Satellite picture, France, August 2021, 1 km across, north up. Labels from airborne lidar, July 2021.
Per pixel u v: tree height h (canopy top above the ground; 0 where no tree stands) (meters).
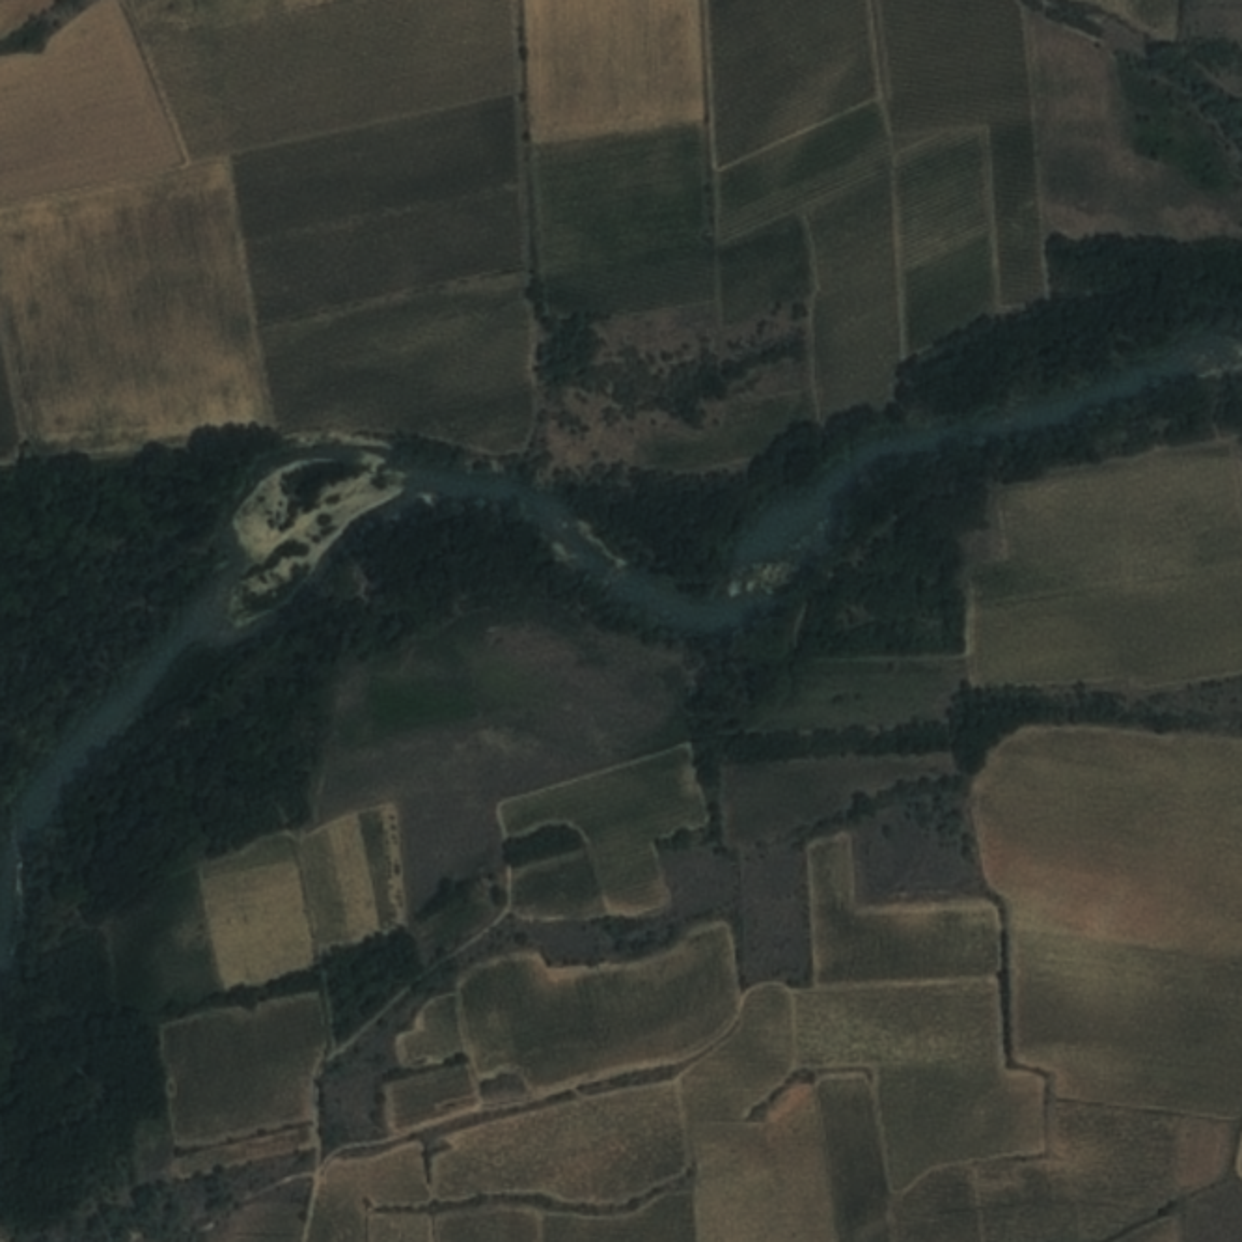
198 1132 0
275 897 0
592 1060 0
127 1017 15
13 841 0
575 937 0
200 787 20
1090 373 10
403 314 0
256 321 0
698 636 7
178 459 15
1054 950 0
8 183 0
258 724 11
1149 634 0
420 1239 0
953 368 16
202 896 0
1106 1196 0
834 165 0
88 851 16
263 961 0
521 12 0
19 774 8
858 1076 0
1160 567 0
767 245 0
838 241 0
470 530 28
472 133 0
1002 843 0
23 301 0
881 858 0
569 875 0
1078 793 0
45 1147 18
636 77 0
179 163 0
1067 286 7
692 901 0
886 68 0
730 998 0
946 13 0
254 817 8
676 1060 0
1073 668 0
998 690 10
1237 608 0
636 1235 0
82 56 0
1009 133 0
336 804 0
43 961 15
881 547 11
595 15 0
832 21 0
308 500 11
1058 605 0
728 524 19
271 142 0
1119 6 0
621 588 0
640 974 0
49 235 0
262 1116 0
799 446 14
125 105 0
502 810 0
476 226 0
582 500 20
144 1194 13
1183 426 9
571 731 0
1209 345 0
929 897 0
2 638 11
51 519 9
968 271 0
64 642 6
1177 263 25
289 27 0
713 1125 0
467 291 0
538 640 0
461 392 0
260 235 0
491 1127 0
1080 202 0
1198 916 0
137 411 0
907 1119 0
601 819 0
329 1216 0
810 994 0
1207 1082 0
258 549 0
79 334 0
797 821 0
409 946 17
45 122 0
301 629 11
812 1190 0
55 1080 15
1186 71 16
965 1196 0
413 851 0
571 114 0
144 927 0
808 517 0
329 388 0
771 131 0
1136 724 8
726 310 0
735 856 6
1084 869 0
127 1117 15
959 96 0
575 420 6
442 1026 0
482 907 0
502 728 0
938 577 6
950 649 6
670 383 7
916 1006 0
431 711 0
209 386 0
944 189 0
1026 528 0
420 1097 0
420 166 0
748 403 0
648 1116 0
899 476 17
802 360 6
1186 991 0
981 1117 0
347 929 0
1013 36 0
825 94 0
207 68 0
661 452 0
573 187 0
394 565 24
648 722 0
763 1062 0
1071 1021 0
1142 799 0
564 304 0
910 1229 0
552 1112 0
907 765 0
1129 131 0
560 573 22
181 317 0
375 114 0
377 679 0
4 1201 15
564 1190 0
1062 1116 0
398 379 0
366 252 0
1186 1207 0
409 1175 0
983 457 6
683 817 0
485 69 0
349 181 0
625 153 0
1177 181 0
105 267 0
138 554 14
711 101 0
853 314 0
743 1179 0
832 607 13
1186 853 0
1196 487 0
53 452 0
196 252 0
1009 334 17
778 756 6
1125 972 0
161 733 12
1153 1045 0
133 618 12
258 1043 0
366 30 0
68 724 17
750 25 0
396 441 8
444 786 0
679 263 0
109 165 0
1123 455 7
